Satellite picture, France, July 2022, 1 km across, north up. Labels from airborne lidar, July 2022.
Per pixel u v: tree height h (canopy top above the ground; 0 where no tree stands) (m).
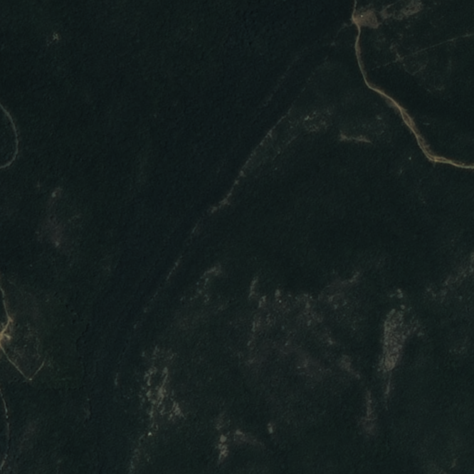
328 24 7
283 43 8
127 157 11
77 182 11
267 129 6
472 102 7
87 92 7
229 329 6
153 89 12
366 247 8
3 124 6
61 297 10
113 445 7
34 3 6
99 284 12
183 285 7
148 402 7
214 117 8
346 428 13
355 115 6
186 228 8
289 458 7
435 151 7
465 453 5
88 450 9
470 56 7
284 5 9
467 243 8
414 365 7
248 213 7
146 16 7
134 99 9
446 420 7
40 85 13
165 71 10
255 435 5
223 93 11
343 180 9
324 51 6
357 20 0
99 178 12
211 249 6
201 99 11
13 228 7
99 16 7
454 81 6
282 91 6
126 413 6
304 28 9
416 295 6
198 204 7
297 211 7
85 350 10
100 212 16
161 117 12
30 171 8
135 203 9
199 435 8
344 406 7
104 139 12
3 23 5
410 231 10
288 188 7
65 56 9
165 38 9
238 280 8
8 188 7
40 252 6
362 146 7
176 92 6
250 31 10
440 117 8
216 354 6
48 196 8
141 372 6
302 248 8
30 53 8
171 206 9
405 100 7
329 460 6
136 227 8
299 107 6
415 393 6
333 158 8
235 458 6
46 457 7
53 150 10
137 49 10
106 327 8
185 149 9
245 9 8
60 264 10
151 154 13
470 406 6
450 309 7
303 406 7
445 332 7
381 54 8
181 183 9
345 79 7
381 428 7
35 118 9
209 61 8
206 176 8
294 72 6
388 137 6
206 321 7
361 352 9
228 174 7
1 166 7
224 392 7
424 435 6
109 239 7
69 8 13
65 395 11
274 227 7
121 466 6
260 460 6
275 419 6
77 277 13
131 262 10
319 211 8
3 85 12
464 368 8
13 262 12
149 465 6
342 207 8
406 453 8
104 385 9
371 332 8
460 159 7
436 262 9
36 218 9
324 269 7
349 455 7
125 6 6
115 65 10
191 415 7
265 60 10
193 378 6
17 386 9
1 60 12
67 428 8
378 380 6
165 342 6
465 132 7
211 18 15
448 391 6
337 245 9
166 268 9
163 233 8
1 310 6
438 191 8
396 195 11
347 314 7
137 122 11
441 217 7
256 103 6
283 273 6
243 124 6
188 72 9
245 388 7
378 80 7
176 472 7
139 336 6
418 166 6
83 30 15
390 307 6
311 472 5
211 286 8
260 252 10
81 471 8
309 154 7
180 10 7
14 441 6
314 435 7
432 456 7
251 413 7
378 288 7
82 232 9
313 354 6
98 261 10
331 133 6
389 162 8
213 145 9
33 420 7
